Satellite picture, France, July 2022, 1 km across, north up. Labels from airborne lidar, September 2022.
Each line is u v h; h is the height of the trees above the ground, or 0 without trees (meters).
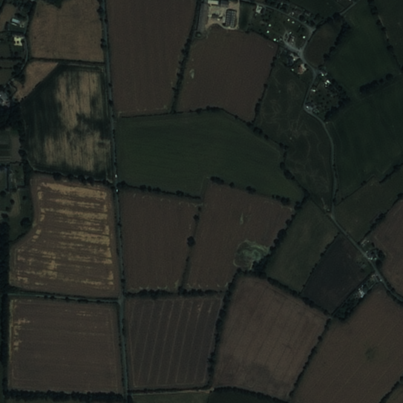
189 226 0
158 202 0
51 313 0
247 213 0
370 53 0
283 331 0
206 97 0
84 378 0
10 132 0
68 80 0
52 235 0
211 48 0
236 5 0
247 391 10
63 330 0
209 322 0
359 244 8
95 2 0
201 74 0
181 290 12
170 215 0
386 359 0
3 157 0
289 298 0
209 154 0
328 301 0
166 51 0
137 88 0
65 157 0
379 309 0
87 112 0
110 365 0
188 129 0
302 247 0
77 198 0
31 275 0
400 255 0
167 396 0
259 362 0
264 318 0
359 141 0
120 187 12
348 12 0
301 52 0
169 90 0
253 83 0
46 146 0
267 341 0
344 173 0
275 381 0
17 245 0
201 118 0
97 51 0
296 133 0
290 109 0
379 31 0
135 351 0
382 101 0
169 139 0
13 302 0
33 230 0
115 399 19
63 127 0
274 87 0
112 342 0
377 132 0
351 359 0
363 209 0
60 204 0
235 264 0
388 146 0
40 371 0
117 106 0
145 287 0
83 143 0
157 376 0
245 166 0
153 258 0
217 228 0
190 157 0
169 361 0
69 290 0
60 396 19
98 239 0
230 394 0
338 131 0
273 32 0
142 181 0
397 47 0
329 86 9
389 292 11
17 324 0
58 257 0
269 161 0
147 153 0
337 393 0
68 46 0
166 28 0
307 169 0
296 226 0
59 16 0
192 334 0
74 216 0
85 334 0
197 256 0
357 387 0
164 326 0
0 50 0
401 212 0
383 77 0
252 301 0
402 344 0
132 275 0
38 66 0
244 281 0
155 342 0
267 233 0
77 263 0
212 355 15
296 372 0
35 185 0
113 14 0
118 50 0
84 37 0
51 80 0
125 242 0
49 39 0
